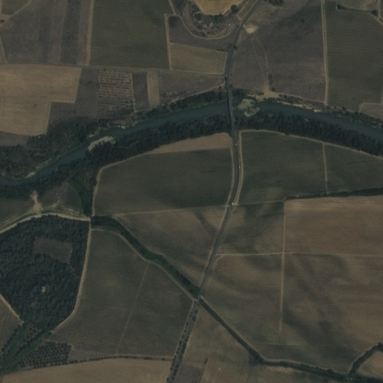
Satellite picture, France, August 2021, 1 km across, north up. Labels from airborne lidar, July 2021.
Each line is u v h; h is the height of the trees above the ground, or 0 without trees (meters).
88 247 0
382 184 0
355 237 0
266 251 0
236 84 0
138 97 0
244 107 0
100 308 0
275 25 0
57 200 0
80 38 0
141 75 0
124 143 15
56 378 0
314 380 0
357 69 0
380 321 0
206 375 0
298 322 0
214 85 0
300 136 6
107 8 0
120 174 0
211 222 0
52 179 11
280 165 0
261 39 0
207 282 0
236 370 0
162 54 0
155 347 0
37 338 12
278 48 0
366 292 0
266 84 0
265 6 0
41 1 0
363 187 0
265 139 0
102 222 10
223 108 0
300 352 0
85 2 0
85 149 0
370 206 0
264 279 0
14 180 0
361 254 0
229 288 0
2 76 0
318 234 0
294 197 8
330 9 0
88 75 0
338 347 0
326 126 18
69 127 6
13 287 8
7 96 0
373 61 0
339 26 0
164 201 0
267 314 0
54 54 0
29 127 0
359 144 15
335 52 0
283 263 0
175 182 0
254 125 11
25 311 14
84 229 8
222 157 0
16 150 8
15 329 0
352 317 0
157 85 0
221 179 0
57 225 13
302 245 0
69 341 0
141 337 0
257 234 0
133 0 0
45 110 0
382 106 0
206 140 0
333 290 0
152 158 0
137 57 0
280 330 0
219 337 0
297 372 0
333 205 0
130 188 0
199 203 0
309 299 0
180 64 0
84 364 0
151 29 0
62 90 0
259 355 12
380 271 0
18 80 0
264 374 0
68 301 16
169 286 0
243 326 0
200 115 0
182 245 0
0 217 0
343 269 0
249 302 0
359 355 0
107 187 0
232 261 0
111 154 8
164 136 17
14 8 0
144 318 0
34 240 13
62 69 0
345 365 0
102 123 10
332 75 0
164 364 0
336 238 0
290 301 0
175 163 0
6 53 0
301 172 0
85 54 0
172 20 0
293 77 0
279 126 15
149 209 0
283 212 0
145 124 0
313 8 0
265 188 0
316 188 0
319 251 0
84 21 0
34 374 0
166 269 0
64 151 8
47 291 14
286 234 0
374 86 0
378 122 11
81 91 0
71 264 6
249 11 0
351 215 0
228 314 0
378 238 0
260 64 0
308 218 0
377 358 0
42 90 0
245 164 0
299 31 0
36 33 0
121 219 0
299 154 0
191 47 0
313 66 0
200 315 0
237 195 0
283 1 9
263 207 0
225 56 0
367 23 0
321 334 0
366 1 0
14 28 0
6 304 0
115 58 0
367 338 0
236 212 0
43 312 13
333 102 0
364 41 0
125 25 0
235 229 0
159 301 0
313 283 0
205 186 0
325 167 0
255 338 0
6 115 0
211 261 0
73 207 0
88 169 9
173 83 0
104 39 0
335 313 0
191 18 0
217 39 0
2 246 18
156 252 0
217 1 0
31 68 0
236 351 0
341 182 0
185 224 0
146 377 0
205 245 0
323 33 0
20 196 9
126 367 0
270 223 0
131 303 0
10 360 14
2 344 0
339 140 15
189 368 0
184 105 11
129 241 7
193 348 0
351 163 0
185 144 0
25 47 0
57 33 0
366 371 0
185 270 0
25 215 0
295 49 0
